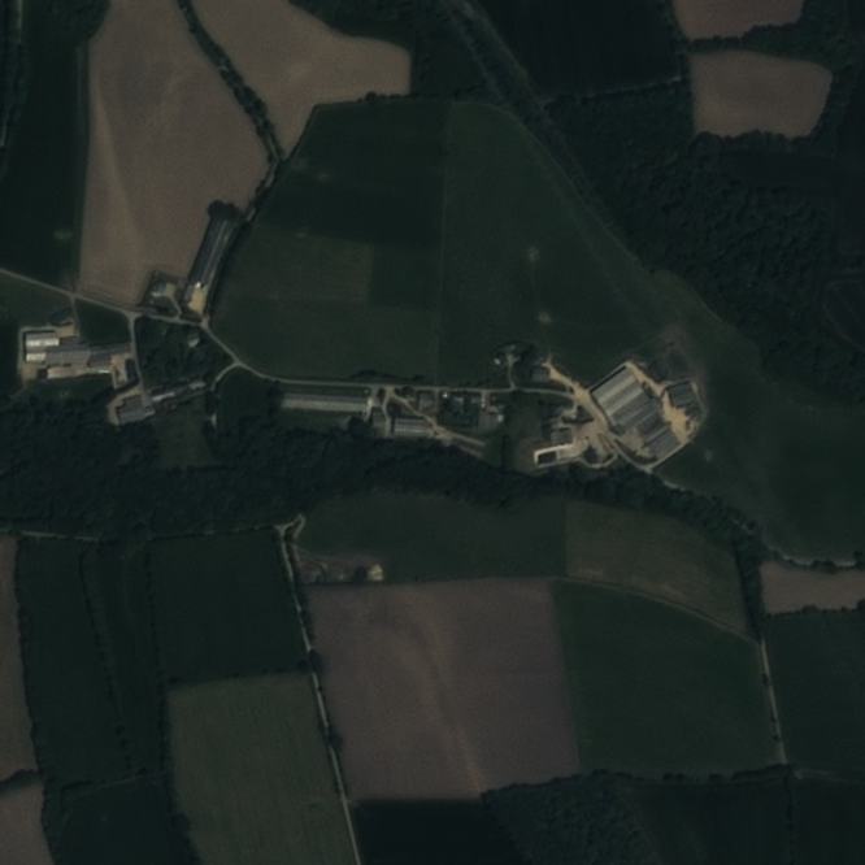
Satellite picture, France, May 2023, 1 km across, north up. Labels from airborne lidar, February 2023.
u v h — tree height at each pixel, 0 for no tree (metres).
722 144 17
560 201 0
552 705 0
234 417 0
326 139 0
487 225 0
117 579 0
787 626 0
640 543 0
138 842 0
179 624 0
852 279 0
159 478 17
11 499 12
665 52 0
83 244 0
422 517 0
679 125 21
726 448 0
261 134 11
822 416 0
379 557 0
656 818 0
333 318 0
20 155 0
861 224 0
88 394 0
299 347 0
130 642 0
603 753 0
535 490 19
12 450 19
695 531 0
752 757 0
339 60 0
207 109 0
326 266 0
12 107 13
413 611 0
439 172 0
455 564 0
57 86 0
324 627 0
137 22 0
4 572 0
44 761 14
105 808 0
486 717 0
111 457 21
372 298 0
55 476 23
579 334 0
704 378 0
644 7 0
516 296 0
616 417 0
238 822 0
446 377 0
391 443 9
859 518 0
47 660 0
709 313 0
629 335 0
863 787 0
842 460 0
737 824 0
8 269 0
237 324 0
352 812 0
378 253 0
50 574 0
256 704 0
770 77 0
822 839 0
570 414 0
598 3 0
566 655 0
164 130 0
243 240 14
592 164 22
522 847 18
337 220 0
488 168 0
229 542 0
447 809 0
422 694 0
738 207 16
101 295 0
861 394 11
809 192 0
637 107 20
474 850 0
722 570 0
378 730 0
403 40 0
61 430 23
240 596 0
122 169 0
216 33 0
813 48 17
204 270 0
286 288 0
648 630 0
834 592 0
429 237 0
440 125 0
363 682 0
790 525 0
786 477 0
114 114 0
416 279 0
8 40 11
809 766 0
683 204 13
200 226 0
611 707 0
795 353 7
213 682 0
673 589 0
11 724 0
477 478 25
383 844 0
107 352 0
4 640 0
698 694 0
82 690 0
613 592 0
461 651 0
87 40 0
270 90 0
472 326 0
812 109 0
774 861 0
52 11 10
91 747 0
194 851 7
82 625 0
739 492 0
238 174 0
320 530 0
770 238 18
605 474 0
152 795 0
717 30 0
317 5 10
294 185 0
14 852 0
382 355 0
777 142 9
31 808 0
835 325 0
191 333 12
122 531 16
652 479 9
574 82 0
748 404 0
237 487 18
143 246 0
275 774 0
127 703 0
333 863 0
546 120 19
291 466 22
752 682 0
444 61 0
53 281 0
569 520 0
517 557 0
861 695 0
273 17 0
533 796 13
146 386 0
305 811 0
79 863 0
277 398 16
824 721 0
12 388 0
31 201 0
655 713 0
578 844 14
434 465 19
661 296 0
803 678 0
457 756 0
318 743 0
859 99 0
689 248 12
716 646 0
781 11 0
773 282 16
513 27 0
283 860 0
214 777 0
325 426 0
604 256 0
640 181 20
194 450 0
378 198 0
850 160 0
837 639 0
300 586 13
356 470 22
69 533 12
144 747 0
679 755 0
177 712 0
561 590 0
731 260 8
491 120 0
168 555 0
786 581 0
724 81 0
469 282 0
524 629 0
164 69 0
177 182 0
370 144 0
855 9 0
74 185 0
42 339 0
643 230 23
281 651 0
